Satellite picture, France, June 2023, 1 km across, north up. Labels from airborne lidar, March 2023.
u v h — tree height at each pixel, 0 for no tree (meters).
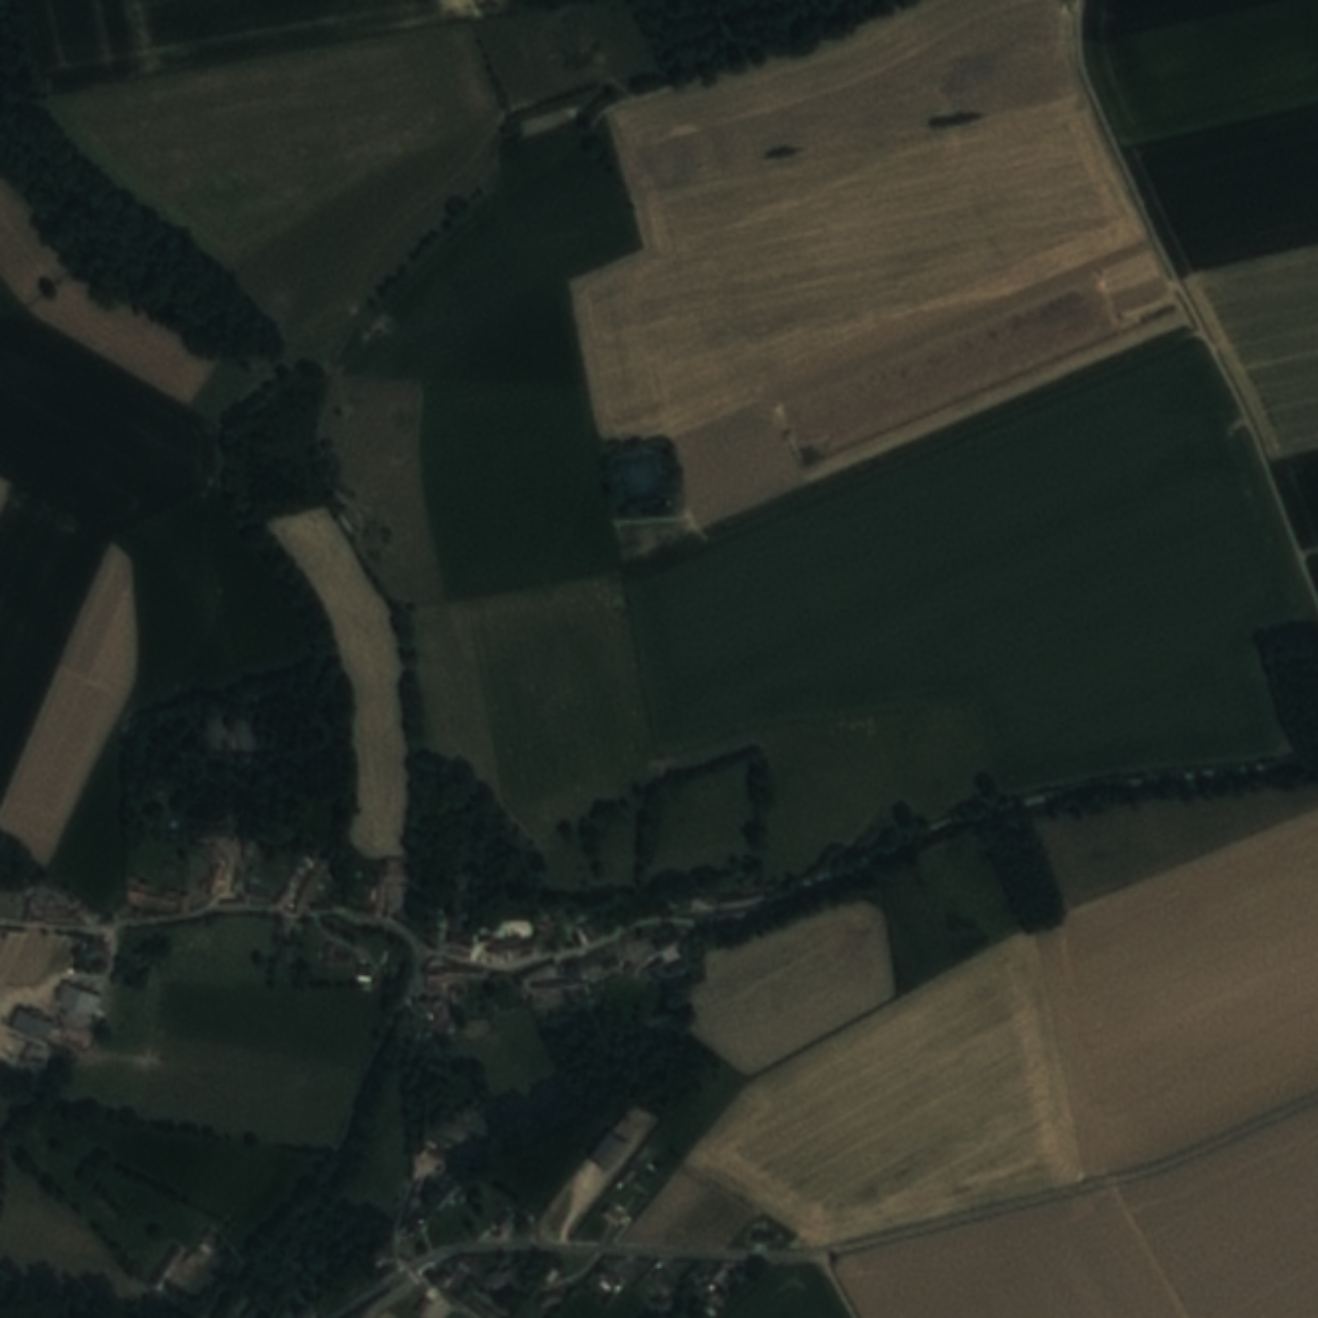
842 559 0
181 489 0
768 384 0
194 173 0
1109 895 0
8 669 0
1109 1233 0
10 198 0
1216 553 0
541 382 0
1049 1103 0
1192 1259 0
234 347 19
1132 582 0
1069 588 0
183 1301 8
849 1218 0
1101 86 0
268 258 0
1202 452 0
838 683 0
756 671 0
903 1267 0
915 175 0
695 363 0
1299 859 0
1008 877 20
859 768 0
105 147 0
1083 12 0
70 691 0
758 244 0
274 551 13
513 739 0
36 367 0
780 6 25
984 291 0
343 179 0
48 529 0
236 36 0
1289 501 0
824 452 0
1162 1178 0
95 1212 0
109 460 0
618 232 0
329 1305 0
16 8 13
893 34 0
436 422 0
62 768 0
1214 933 0
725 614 0
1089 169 0
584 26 0
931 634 0
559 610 0
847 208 0
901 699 0
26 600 0
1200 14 0
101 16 0
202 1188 0
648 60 0
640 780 0
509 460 0
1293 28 0
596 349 0
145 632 0
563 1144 0
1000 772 0
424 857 7
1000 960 0
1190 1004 0
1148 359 0
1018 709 0
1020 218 0
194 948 0
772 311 0
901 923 0
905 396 0
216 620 0
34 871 7
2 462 0
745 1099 0
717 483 0
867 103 0
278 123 0
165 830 13
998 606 0
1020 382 0
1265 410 0
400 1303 0
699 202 0
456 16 0
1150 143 0
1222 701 0
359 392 0
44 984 0
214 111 0
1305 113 0
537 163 0
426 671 0
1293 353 0
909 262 0
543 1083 0
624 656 0
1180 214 0
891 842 16
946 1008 0
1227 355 0
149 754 7
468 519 0
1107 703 0
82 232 13
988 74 0
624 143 0
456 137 0
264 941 0
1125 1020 0
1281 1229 0
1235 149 0
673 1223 0
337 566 0
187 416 0
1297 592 0
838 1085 0
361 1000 0
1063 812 17
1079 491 0
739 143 0
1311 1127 0
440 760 10
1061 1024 0
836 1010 0
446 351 0
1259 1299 0
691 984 14
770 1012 0
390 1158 0
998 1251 0
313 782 24
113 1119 11
